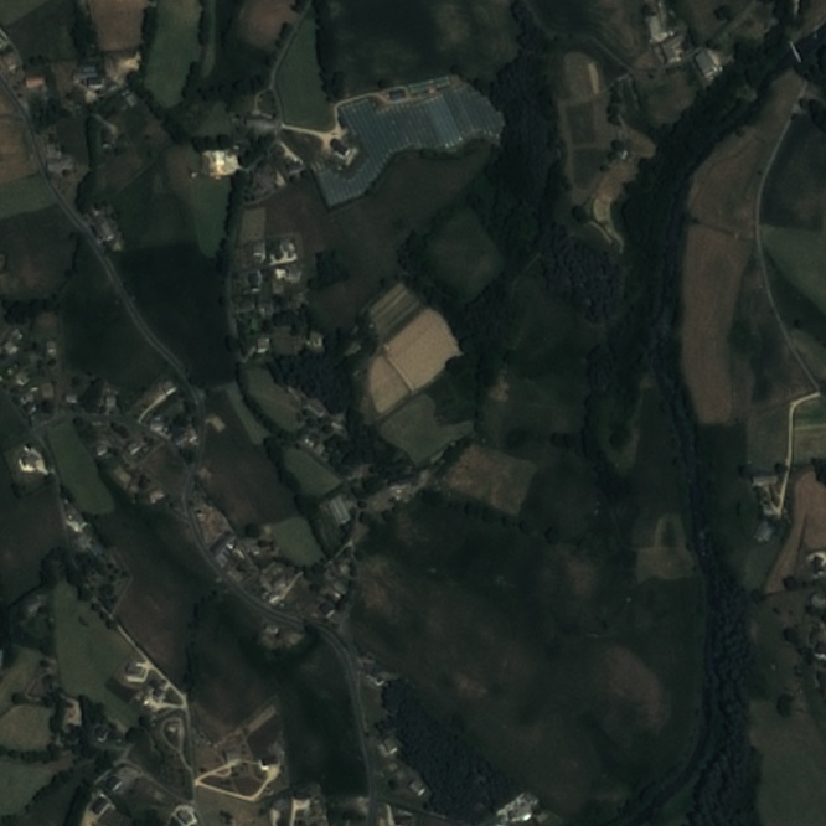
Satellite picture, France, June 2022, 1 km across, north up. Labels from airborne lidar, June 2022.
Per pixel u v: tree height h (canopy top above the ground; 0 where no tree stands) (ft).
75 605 0
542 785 0
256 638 30
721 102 71
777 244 0
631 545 0
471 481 0
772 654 0
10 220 0
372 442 22
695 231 0
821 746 0
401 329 0
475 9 0
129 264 0
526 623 0
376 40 0
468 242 0
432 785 62
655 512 0
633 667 0
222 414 0
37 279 0
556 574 0
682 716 0
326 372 53
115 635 0
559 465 0
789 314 0
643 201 60
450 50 0
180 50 0
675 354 41
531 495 0
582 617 0
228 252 51
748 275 0
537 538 0
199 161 0
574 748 0
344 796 0
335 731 0
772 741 0
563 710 0
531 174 58
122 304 0
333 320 0
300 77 0
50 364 22
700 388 0
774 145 0
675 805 0
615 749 0
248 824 0
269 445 52
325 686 0
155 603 0
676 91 0
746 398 0
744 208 0
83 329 0
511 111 57
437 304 44
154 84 0
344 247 0
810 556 0
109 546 49
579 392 0
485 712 0
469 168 0
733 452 0
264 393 0
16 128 0
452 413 0
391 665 0
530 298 0
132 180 0
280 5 0
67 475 0
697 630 0
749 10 0
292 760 0
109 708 0
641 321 48
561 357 0
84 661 0
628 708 0
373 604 0
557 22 0
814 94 0
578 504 0
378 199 0
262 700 0
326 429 40
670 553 0
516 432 21
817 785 0
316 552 0
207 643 0
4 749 50
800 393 0
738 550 0
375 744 0
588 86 0
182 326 0
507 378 0
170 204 0
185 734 0
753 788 23
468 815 55
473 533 0
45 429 0
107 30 0
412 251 37
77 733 58
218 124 0
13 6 0
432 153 24
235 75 0
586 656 0
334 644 0
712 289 0
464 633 0
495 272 0
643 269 23
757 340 0
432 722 68
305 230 0
